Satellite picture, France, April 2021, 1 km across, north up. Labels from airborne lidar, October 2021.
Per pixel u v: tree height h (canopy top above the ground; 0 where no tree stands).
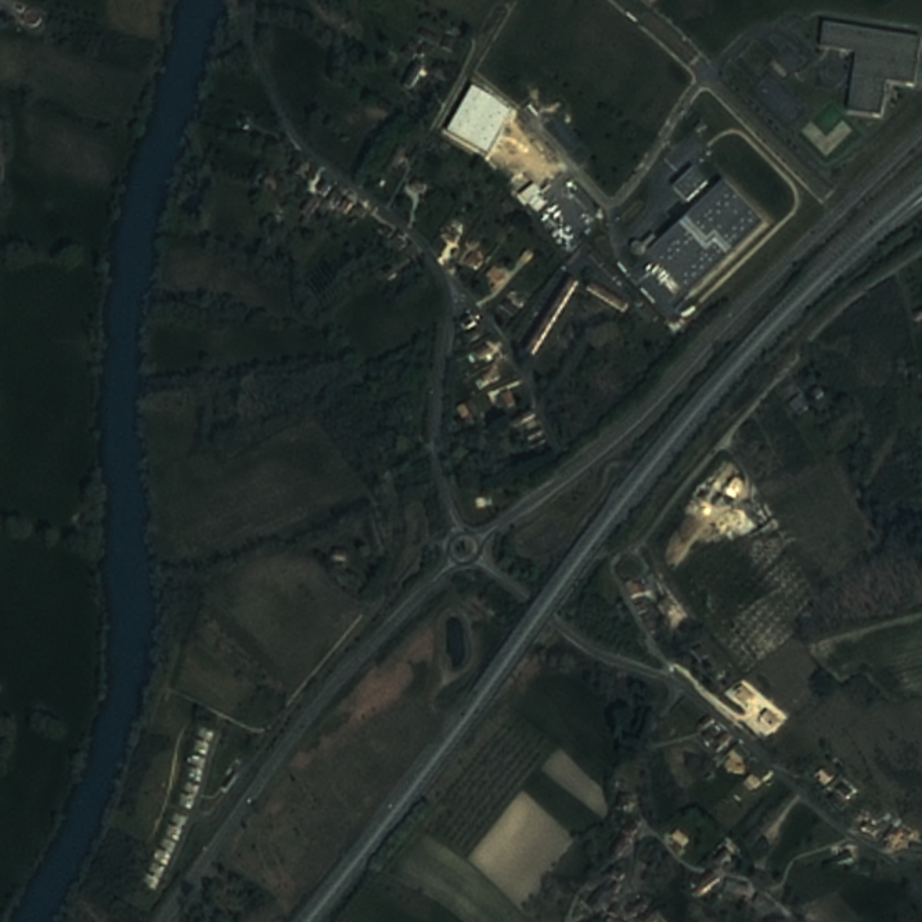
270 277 20
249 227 0
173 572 17
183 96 0
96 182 0
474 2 0
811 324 0
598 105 0
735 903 0
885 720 0
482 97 0
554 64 0
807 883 0
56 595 0
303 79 0
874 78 0
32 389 0
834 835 0
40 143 0
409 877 0
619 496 0
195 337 0
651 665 0
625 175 0
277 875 0
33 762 0
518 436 12
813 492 0
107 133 14
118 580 0
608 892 0
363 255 16
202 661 0
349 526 22
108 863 8
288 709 7
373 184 15
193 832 0
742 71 0
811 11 0
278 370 14
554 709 0
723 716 0
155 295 9
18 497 0
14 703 0
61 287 0
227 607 0
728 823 0
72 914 13
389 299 11
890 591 12
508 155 0
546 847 0
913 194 0
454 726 0
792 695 0
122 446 0
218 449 20
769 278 0
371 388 19
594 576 8
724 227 0
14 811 0
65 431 0
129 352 0
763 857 0
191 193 16
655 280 0
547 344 0
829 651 0
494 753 9
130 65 0
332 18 16
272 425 18
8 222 0
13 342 0
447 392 11
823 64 0
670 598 0
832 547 0
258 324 11
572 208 0
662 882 7
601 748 0
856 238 0
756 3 0
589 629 9
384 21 11
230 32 21
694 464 0
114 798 10
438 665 0
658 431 7
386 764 0
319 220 14
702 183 0
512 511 0
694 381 6
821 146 0
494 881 0
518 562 8
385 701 0
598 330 20
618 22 0
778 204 0
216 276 0
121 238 0
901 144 0
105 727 0
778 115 0
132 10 0
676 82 0
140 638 0
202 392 18
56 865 0
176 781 0
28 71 0
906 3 0
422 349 8
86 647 0
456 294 0
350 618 0
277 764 0
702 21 0
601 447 0
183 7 0
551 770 0
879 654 0
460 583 11
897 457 9
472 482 22
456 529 0
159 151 0
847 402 14
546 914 11
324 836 0
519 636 0
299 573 0
